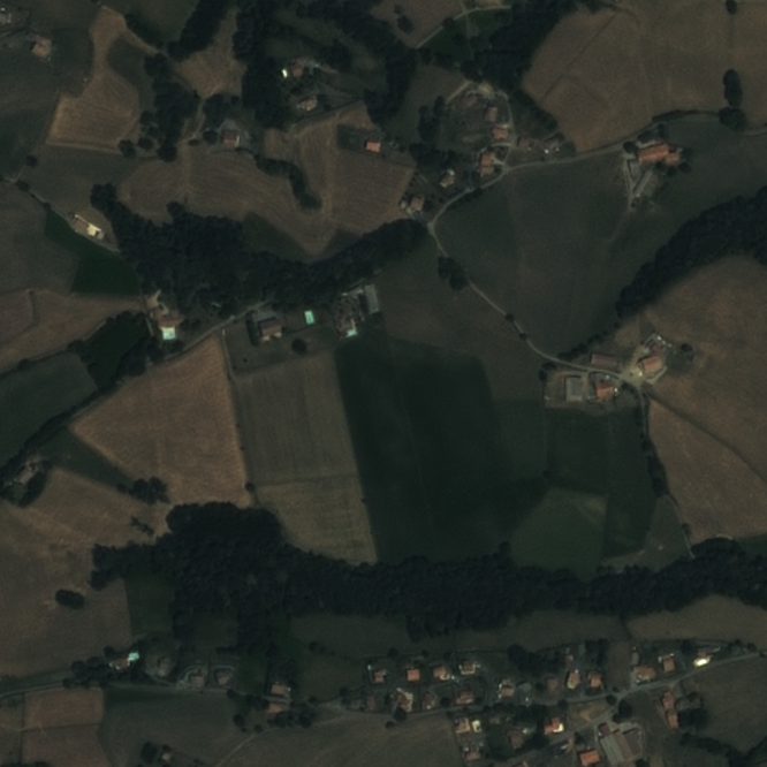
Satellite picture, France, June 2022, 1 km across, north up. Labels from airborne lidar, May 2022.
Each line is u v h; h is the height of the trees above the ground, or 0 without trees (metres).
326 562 12
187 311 10
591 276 0
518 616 21
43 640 0
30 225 0
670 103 0
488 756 6
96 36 0
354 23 21
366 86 0
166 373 0
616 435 0
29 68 0
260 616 17
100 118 0
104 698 0
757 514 0
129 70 0
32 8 0
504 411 0
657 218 0
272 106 21
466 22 0
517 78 17
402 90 17
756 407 0
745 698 0
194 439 0
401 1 0
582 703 0
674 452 0
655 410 0
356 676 0
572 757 0
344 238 0
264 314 0
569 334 0
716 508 0
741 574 20
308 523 0
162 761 7
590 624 0
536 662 21
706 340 0
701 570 19
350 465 0
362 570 13
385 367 0
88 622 0
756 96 0
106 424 0
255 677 0
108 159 0
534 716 10
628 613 15
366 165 0
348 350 0
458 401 0
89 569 0
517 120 0
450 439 0
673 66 0
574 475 0
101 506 0
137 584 0
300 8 12
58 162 0
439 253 0
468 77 16
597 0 7
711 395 0
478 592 20
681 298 0
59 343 0
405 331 0
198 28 21
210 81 0
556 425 0
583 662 0
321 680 0
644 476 0
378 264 12
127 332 0
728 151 0
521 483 0
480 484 0
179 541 17
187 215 22
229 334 0
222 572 18
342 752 0
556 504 0
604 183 0
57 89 0
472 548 0
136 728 0
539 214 0
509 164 0
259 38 16
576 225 0
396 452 0
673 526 0
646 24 0
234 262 18
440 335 0
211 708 0
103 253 0
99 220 0
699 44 0
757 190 0
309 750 0
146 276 13
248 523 9
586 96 0
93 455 0
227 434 0
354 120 0
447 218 0
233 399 0
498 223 0
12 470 15
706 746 11
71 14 0
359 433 0
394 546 0
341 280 16
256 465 0
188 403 0
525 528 0
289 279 20
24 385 0
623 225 0
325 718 0
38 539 0
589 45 0
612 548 0
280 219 0
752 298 0
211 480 0
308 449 0
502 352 0
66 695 0
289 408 0
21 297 0
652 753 0
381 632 0
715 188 0
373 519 0
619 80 0
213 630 0
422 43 0
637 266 0
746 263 0
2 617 0
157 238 24
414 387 0
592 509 0
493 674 0
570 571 8
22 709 0
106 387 17
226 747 0
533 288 0
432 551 0
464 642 0
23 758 0
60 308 0
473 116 0
